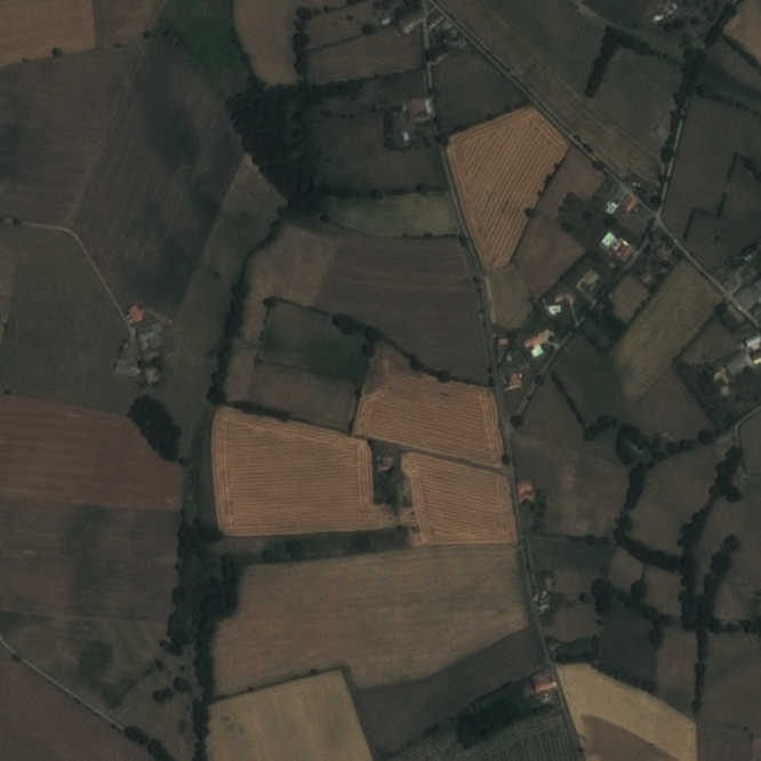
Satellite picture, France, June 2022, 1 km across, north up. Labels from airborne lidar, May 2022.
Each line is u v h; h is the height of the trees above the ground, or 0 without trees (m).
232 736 0
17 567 0
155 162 0
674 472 0
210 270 0
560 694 0
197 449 0
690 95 19
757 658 0
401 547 0
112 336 0
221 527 0
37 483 0
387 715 0
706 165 0
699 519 15
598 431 15
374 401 0
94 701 0
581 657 10
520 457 0
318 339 0
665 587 0
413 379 0
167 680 0
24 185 0
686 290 0
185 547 18
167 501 0
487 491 0
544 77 0
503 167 0
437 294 0
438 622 0
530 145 0
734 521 0
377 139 0
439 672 0
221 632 0
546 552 0
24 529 0
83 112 0
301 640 0
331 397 0
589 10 0
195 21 0
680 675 0
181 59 0
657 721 0
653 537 0
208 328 0
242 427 0
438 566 0
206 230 0
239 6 0
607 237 0
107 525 0
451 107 0
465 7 0
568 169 0
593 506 0
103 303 0
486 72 0
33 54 0
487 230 0
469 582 0
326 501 0
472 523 0
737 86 0
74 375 0
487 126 0
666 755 0
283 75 0
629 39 19
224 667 0
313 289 0
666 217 0
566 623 0
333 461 0
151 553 0
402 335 0
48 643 0
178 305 0
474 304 0
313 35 0
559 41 0
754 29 0
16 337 0
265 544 0
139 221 0
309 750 0
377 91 0
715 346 0
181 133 0
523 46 0
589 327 0
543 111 0
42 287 0
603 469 0
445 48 12
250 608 0
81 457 0
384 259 0
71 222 0
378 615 0
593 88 11
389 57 0
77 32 0
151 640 0
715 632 14
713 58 0
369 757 0
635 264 0
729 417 6
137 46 0
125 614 0
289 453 0
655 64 0
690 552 17
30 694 0
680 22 11
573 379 0
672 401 0
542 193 8
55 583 0
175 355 0
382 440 0
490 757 0
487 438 0
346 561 0
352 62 0
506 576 0
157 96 0
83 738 0
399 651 0
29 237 0
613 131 0
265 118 17
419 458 0
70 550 0
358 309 0
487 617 0
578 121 0
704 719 0
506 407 0
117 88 0
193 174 0
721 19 11
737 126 0
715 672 0
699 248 0
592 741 0
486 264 0
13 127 0
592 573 0
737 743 0
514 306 0
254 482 0
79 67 0
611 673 13
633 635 0
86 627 0
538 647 0
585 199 0
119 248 0
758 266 0
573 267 7
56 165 0
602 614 17
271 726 0
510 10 0
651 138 0
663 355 0
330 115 8
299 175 26
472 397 0
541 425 0
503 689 13
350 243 0
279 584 0
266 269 0
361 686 0
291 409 0
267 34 0
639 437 19
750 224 0
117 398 0
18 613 0
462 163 0
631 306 0
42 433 0
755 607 0
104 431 0
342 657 0
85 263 0
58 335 0
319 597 0
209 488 0
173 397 0
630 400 0
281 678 0
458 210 0
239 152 0
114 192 0
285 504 0
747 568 0
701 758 0
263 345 0
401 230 0
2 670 0
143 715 0
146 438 17
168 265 0
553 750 0
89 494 0
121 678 0
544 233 0
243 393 0
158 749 18
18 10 0
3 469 0
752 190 0
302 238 0
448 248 0
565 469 0
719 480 14
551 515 0
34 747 0
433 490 0
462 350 0
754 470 0
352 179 0
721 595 0
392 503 7
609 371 0
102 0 0
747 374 7
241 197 0
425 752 0
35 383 0
